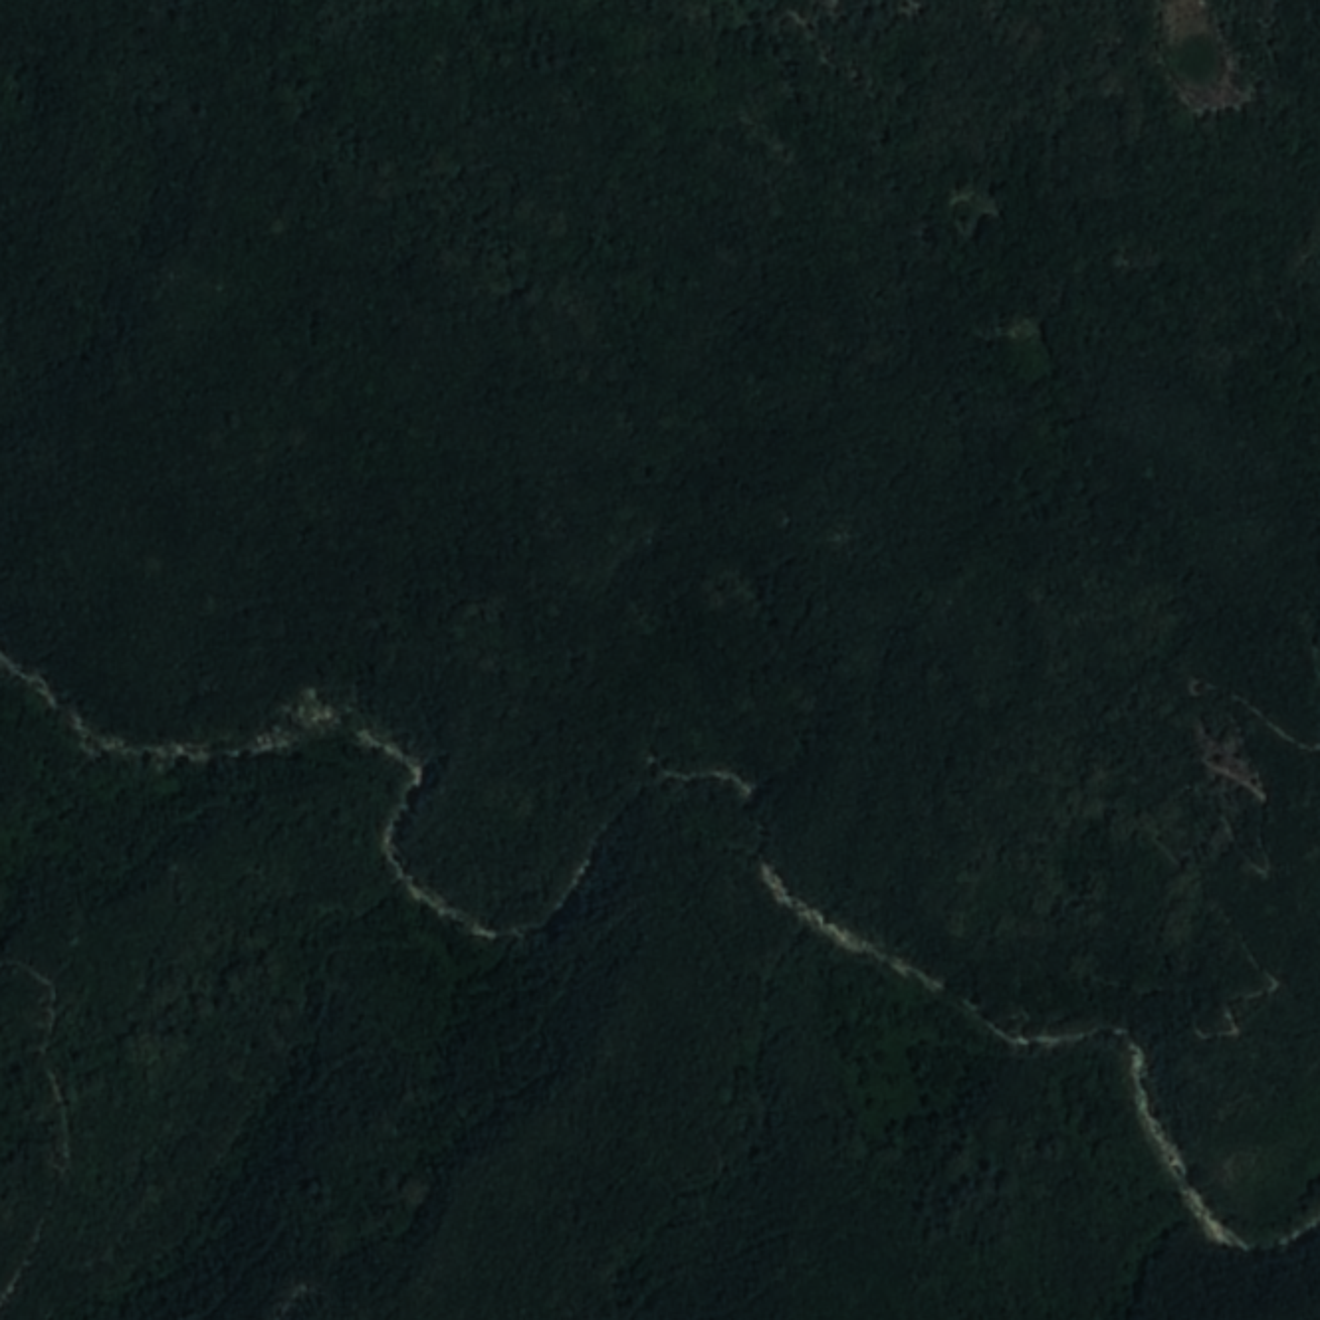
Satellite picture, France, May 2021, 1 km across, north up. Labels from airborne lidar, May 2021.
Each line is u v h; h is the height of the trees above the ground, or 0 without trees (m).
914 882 20
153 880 9
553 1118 8
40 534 11
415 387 6
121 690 13
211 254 10
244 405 9
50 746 7
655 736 21
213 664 13
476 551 21
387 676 12
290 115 16
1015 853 12
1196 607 14
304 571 15
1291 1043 12
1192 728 13
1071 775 13
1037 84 7
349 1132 12
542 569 12
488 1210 10
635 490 15
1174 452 7
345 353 9
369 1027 5
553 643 14
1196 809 11
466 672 11
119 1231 9
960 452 13
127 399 11
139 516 10
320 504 12
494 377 14
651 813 14
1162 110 10
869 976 8
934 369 20
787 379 12
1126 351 8
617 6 7
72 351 24
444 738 18
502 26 15
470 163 17
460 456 11
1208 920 10
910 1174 11
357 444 13
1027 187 17
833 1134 12
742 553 20
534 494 11
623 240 13
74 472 12
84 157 8
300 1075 14
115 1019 13
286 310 12
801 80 17
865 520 8
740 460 19
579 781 18
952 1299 6
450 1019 10
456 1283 10
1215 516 9
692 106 10
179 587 10
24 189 9
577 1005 7
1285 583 14
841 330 10
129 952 8
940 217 13
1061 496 20
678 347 7
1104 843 10
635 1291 10
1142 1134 13
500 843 13
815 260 16
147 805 9
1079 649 10
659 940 11
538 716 18
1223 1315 21
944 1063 15
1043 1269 6
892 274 10
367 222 9
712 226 10
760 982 17
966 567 16
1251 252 14
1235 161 11
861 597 9
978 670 8
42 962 6
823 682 14
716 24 14
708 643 20
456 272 10
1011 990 15
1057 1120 8
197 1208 19
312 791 8
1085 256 10
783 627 18
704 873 17
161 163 21
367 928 9
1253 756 11
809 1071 10
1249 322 14
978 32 11
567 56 9
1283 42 11
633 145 15
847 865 18
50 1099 7
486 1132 11
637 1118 11
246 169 11
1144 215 8
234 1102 18
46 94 18
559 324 8
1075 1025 19
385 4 10
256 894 14
